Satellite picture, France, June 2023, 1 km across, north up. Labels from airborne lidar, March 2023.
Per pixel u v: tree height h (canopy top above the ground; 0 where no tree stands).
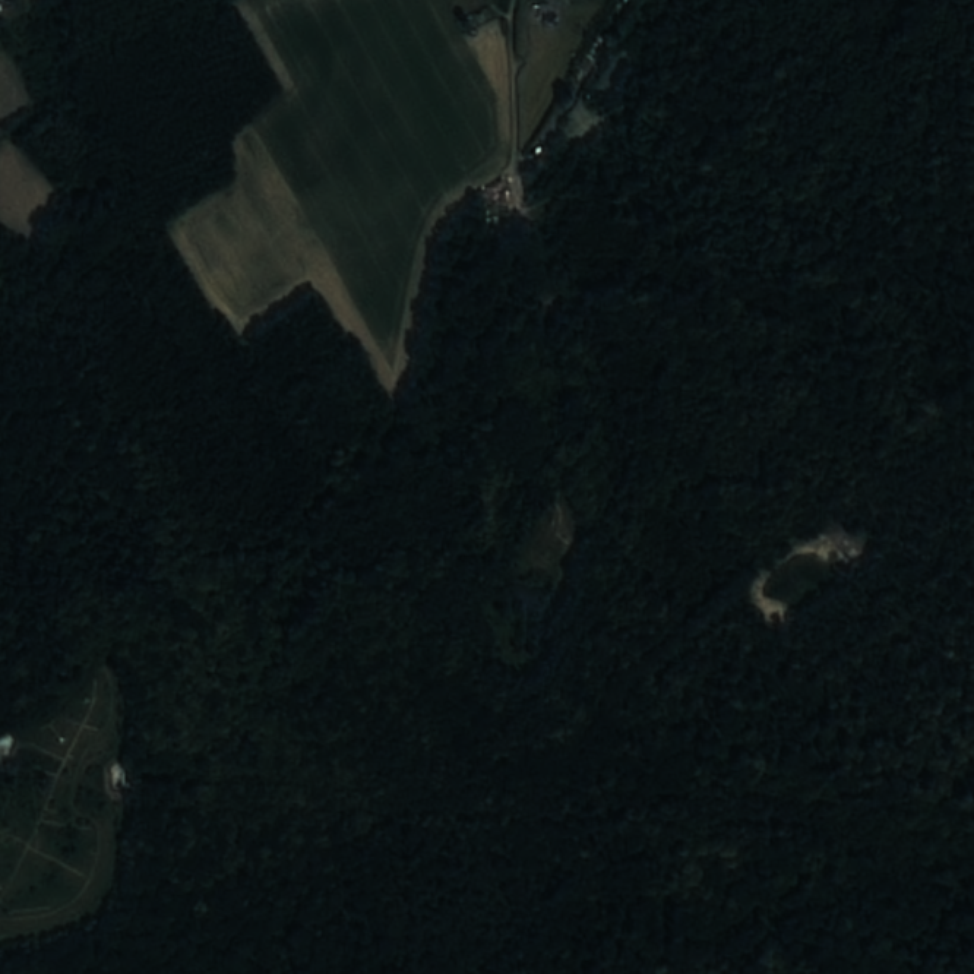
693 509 21
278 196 0
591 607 20
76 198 24
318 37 0
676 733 26
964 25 21
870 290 23
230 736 23
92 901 0
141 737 18
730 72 25
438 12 0
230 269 0
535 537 0
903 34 24
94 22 19
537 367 25
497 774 20
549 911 20
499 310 28
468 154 0
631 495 26
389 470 23
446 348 37
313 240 0
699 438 26
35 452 22
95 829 0
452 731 21
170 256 10
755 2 22
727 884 23
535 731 12
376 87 0
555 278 33
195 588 26
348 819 18
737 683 22
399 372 0
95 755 0
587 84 6
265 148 0
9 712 17
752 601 21
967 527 20
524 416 34
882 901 24
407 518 18
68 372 29
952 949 26
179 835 26
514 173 0
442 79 0
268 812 22
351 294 0
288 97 0
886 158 26
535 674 18
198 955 25
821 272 22
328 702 24
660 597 19
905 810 27
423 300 12
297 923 22
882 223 22
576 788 16
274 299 0
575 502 22
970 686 22
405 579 24
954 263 26
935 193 27
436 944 23
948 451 24
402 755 16
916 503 21
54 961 22
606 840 22
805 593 0
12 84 0
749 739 23
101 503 25
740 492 25
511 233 30
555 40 0
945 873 27
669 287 28
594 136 18
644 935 26
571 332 26
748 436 21
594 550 21
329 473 25
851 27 22
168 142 23
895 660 20
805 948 25
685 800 23
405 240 0
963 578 18
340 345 21
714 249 28
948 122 22
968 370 24
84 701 0
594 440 24
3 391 27
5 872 0
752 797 22
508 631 0
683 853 24
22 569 17
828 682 22
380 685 23
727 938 28
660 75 24
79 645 19
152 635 23
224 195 0
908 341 25
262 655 31
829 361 18
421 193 0
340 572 26
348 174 0
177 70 19
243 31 27
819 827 24
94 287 21
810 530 19
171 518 23
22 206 0
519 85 0
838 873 23
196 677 23
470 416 20
